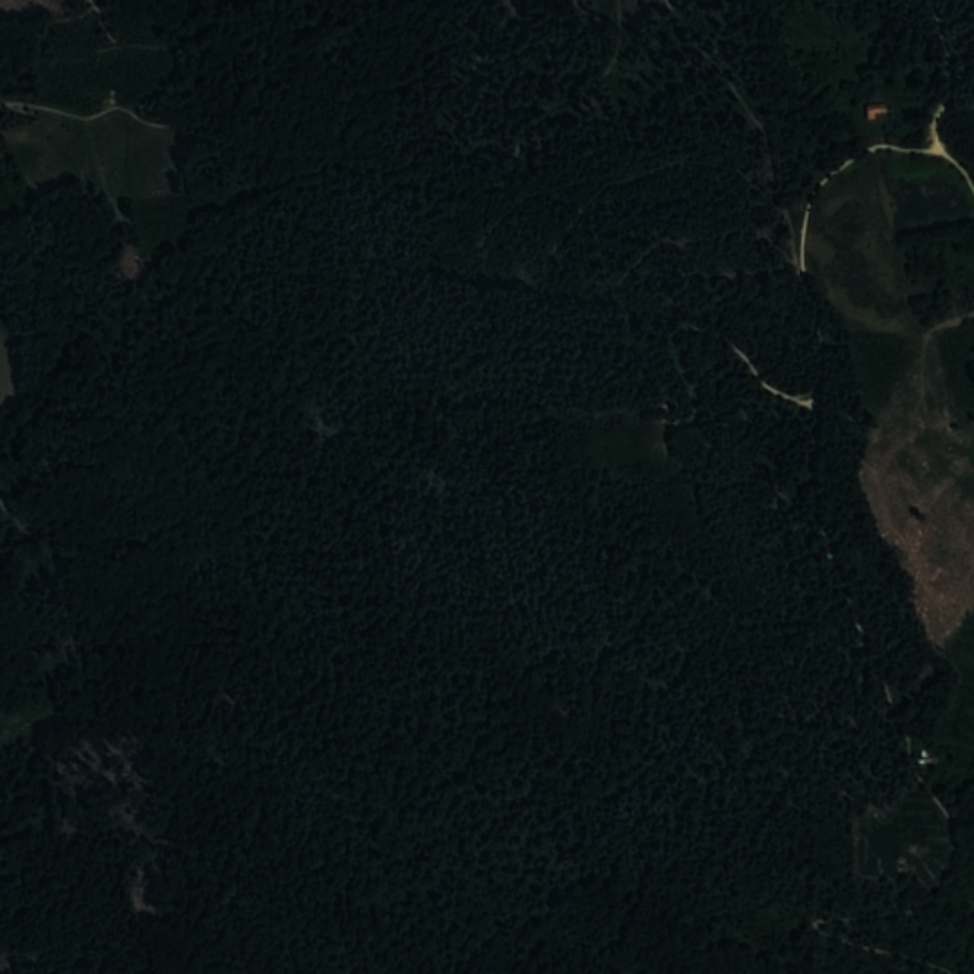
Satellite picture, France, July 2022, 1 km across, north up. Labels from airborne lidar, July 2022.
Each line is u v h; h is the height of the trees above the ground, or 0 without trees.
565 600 21
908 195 0
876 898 17
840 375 27
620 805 24
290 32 17
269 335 17
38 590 28
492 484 14
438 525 17
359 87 28
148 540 15
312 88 23
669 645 23
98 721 29
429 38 32
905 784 24
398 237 11
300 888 19
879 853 0
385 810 6
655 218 13
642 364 21
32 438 28
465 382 18
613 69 0
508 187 10
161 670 29
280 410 15
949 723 0
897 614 27
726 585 9
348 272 21
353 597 19
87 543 31
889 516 0
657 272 6
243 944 21
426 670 14
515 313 31
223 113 21
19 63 22
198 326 16
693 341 18
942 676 24
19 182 20
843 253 0
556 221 8
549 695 22
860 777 17
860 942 14
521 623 20
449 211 16
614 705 19
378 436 28
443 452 18
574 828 11
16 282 28
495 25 28
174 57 15
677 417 15
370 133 29
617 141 14
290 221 15
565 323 34
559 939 13
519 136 21
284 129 28
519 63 28
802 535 12
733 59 25
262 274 21
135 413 24
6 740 0
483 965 34
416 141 26
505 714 14
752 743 7
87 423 28
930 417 0
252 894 22
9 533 28
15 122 12
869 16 10
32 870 15
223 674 26
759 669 20
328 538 19
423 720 15
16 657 27
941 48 27
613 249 8
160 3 7
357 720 12
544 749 17
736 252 11
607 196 9
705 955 25
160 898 27
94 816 29
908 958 11
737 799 17
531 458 12
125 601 30
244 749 15
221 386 14
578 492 11
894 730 13
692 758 25
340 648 14
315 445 22
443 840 11
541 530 21
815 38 0
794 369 22
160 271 22
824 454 26
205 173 20
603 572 19
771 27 25
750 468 12
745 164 7
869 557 15
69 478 19
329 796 14
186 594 18
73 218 30
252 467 19
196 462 22
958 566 0
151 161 0
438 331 29
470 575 23
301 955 16
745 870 22
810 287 23
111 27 6
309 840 18
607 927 25
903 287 0
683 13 26
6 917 15
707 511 20
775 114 17
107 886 18
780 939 7
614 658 22
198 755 15
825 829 20
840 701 20
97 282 32
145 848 26
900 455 0
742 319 19
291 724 16
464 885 12
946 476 0
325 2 18
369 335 16
